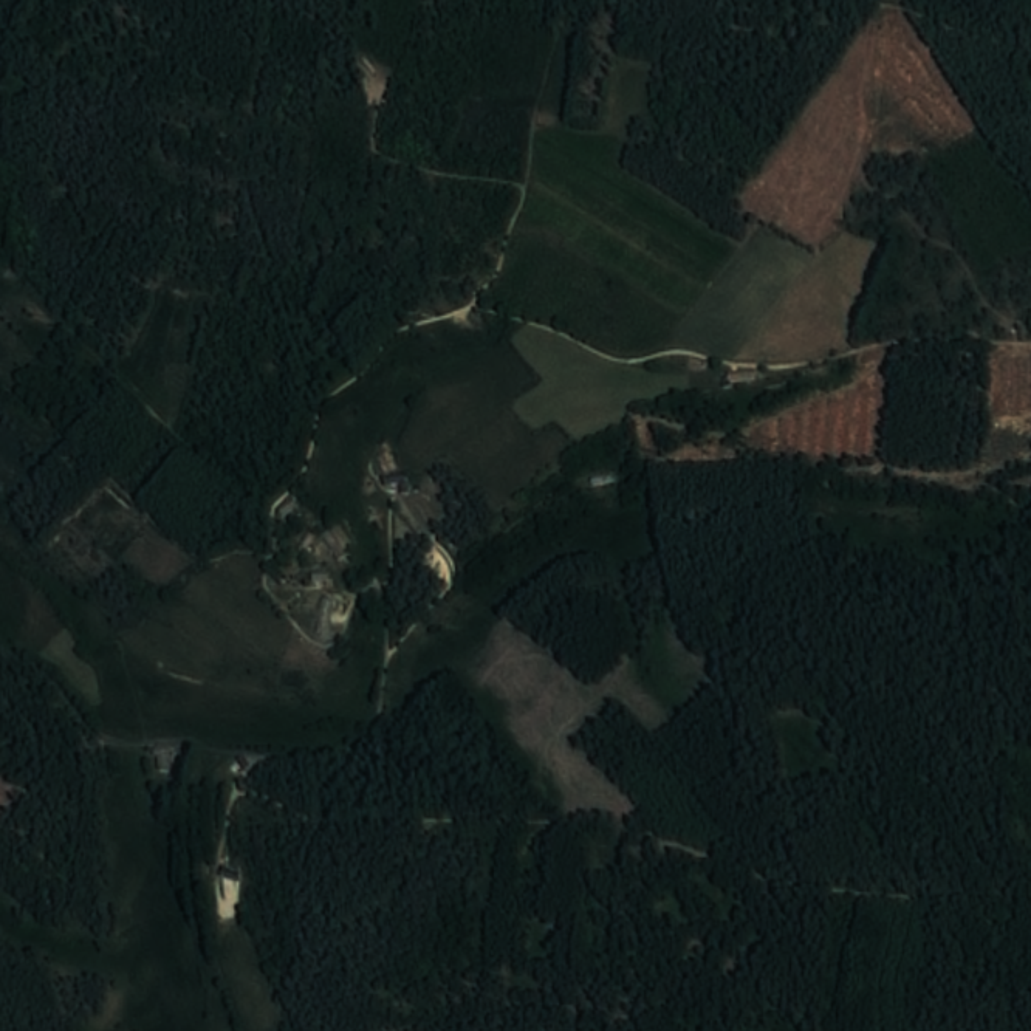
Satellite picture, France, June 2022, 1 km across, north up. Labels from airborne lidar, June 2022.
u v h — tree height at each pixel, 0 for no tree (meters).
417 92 6
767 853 30
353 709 0
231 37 19
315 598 0
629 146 8
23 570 8
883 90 0
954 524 0
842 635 26
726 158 18
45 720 23
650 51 22
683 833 15
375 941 15
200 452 22
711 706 18
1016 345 0
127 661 0
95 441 23
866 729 17
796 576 32
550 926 21
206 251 9
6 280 0
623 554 0
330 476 0
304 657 0
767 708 24
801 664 31
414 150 10
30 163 23
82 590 11
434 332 0
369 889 20
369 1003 25
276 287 19
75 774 23
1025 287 8
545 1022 31
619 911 25
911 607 17
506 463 0
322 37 16
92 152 11
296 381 22
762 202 0
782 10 21
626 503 16
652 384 0
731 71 32
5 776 18
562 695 0
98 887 27
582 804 0
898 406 27
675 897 14
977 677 25
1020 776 12
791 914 33
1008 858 26
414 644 0
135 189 14
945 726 20
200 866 15
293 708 0
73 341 16
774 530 29
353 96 22
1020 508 11
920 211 15
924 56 0
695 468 26
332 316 19
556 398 0
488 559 14
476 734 32
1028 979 16
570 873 22
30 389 14
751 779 30
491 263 13
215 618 0
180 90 12
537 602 27
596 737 16
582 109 19
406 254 8
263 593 11
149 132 16
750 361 0
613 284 8
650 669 7
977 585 17
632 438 14
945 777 22
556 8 25
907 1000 17
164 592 11
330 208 17
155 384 0
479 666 0
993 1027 29
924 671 26
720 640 28
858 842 26
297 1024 20
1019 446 0
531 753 0
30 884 24
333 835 25
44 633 0
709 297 0
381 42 6
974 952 20
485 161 11
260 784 19
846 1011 18
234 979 0
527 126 0
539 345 0
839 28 13
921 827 19
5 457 0
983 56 13
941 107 0
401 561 13
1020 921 23
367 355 33
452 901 12
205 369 13
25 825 23
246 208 15
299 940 10
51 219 16
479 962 6
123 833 0
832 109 0
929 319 6
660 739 19
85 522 6
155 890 0
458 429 0
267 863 11
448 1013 9
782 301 0
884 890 29
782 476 30
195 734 0
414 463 0
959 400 29
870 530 0
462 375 0
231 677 0
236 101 7
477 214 6
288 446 23
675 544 29
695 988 25
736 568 27
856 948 19
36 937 0
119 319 19
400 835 25
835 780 29
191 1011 0
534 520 7
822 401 0
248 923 19
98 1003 14
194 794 15
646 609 14
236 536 6
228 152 11
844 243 0
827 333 0
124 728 0
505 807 23
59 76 18
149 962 0
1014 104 14
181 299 0
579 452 15
